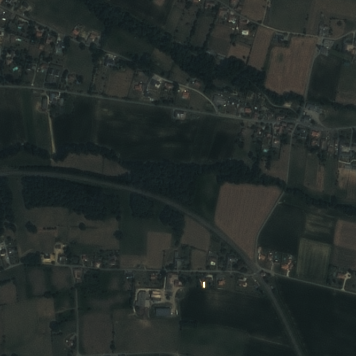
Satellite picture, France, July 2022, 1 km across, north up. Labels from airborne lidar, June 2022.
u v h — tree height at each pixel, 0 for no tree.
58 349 0
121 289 0
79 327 0
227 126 0
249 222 0
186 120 0
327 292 0
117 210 9
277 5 0
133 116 0
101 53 18
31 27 13
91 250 0
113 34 0
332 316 0
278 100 22
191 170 22
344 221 0
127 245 0
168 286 0
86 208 24
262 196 0
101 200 19
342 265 0
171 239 0
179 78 0
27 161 0
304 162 0
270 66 0
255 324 0
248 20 0
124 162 18
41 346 0
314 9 0
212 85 12
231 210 0
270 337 0
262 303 0
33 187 23
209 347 0
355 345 0
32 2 0
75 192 20
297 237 0
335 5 0
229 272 0
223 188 0
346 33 0
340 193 0
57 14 0
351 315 0
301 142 8
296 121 0
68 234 0
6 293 0
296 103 0
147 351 0
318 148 10
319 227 0
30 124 0
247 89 13
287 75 0
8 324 0
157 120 0
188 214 0
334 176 0
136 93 0
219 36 0
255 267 0
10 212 20
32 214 0
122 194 0
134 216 12
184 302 0
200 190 0
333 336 0
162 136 0
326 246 0
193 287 0
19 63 8
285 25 0
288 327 0
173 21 0
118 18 26
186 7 6
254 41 0
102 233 0
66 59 0
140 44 0
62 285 0
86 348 0
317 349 0
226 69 24
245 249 0
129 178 14
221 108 9
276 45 0
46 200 8
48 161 0
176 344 0
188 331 0
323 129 0
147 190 16
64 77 13
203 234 0
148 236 0
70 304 0
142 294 0
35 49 0
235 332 0
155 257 0
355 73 0
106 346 0
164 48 25
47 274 0
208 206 0
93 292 7
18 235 0
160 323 0
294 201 0
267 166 12
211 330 0
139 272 0
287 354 0
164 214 19
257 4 0
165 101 14
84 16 0
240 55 0
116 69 12
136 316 0
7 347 0
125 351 0
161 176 22
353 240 0
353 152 8
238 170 20
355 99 0
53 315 0
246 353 0
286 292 0
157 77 0
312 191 0
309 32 0
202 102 0
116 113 0
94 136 0
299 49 0
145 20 7
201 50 22
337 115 0
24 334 0
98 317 0
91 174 9
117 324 0
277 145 0
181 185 30
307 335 0
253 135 8
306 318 0
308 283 0
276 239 0
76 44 0
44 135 0
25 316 0
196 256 0
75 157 0
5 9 0
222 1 0
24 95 0
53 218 0
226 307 0
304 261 0
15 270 0
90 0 27
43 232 0
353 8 0
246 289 0
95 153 24
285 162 0
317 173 0
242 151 0
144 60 26
